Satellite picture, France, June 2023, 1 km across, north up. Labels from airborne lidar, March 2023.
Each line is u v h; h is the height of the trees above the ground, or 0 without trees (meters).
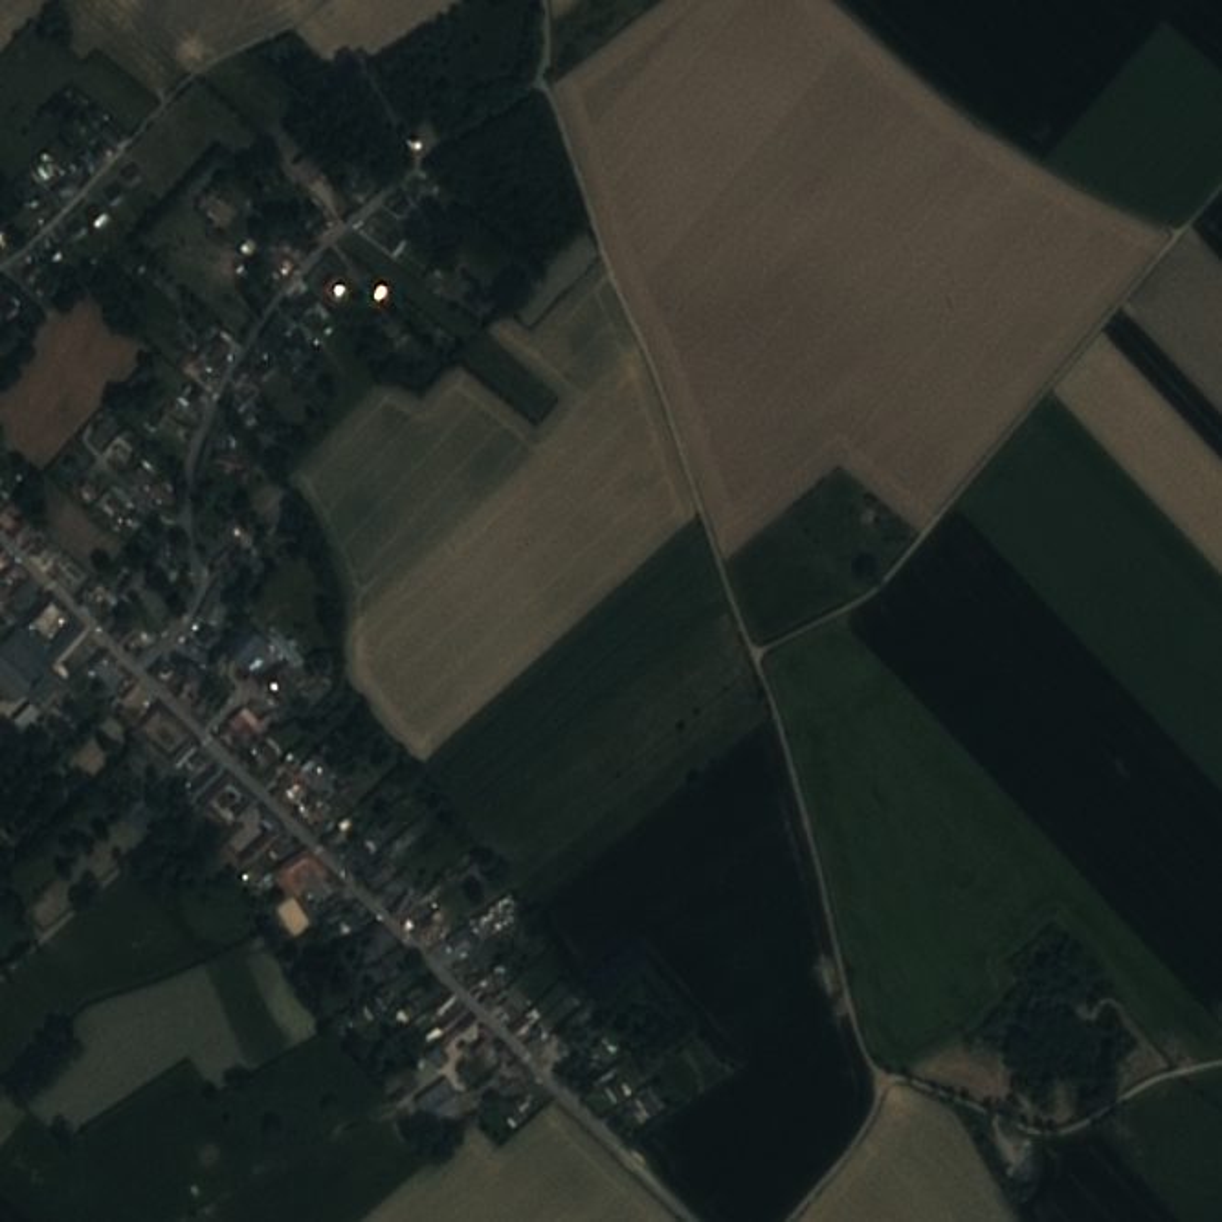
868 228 0
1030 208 0
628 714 0
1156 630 0
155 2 0
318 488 0
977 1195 0
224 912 0
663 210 0
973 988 0
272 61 11
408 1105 0
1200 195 0
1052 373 0
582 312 0
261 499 0
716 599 0
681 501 0
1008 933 0
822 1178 0
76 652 0
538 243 12
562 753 0
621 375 0
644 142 0
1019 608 0
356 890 0
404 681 0
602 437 0
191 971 0
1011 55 0
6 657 0
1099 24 0
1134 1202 0
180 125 0
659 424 0
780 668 0
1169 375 0
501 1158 0
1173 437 0
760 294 0
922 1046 0
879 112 0
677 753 0
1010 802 0
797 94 0
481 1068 0
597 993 24
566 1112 0
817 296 0
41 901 0
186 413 0
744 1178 0
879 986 0
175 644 0
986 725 0
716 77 0
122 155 0
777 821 0
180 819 19
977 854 0
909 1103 0
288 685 0
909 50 0
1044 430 0
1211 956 0
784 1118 0
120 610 12
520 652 0
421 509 0
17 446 0
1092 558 0
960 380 0
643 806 0
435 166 13
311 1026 0
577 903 0
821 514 0
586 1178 0
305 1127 0
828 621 0
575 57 0
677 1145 0
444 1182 0
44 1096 0
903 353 0
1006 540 0
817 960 0
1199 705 0
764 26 0
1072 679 0
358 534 0
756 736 0
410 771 15
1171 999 0
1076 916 0
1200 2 0
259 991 0
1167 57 0
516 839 0
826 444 0
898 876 0
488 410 0
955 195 0
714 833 0
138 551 8
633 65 0
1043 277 0
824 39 0
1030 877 0
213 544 0
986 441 0
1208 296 0
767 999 0
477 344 0
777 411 0
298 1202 0
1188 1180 0
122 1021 0
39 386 0
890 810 0
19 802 13
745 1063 0
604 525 0
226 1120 8
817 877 0
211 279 0
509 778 0
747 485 0
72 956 0
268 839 0
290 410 0
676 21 0
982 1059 0
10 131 0
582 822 0
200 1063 0
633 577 0
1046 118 0
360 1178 0
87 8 0
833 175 0
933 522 0
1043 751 0
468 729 0
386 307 8
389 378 14
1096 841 0
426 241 27
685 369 0
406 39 8
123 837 0
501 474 0
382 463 0
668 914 0
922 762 0
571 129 0
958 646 0
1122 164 0
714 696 0
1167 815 0
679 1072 0
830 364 0
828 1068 0
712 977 0
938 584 0
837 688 0
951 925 0
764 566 0
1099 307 0
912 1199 0
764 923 0
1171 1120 0
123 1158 0
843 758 0
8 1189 0
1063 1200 0
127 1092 0
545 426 0
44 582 0
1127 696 0
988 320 0
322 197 0
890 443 0
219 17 0
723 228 0
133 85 0
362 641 0
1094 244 0
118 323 16
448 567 0
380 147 30
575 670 0
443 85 14
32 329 15
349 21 0
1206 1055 0
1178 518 0
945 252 0
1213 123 0
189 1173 0
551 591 0
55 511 0
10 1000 0
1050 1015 19
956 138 0
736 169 0
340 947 9
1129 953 0
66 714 7
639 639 0
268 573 8
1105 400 0
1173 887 0
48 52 0
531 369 0
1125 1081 0
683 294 0
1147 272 0
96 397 0
